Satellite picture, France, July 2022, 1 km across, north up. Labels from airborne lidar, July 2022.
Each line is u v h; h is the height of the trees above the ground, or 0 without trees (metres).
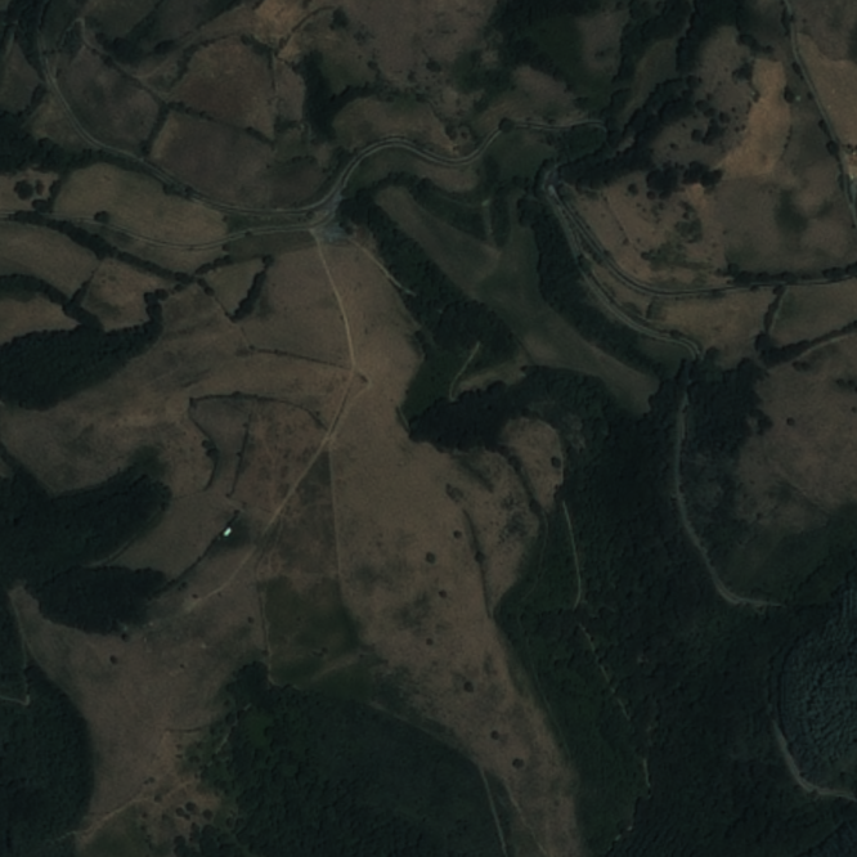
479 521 0
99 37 8
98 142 0
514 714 0
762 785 17
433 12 0
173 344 0
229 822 9
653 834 19
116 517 15
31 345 21
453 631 0
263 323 0
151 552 0
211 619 0
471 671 0
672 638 13
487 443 12
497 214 13
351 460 0
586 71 0
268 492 0
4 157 8
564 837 0
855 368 0
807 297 0
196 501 0
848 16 0
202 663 0
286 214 0
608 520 17
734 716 9
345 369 0
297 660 0
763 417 6
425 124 0
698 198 0
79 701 0
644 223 0
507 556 0
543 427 0
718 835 19
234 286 0
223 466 0
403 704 0
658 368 13
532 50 20
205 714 0
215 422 0
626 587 14
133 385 0
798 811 9
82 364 10
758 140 0
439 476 0
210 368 0
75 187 0
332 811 19
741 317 0
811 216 0
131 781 0
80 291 12
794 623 25
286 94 0
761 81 0
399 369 0
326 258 0
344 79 0
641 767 7
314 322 0
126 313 0
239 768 13
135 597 13
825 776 15
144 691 0
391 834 10
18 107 0
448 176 0
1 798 10
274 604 0
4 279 16
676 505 9
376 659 0
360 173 0
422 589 0
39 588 10
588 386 11
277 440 0
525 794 0
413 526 0
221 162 0
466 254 0
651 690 22
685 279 0
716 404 9
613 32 0
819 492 0
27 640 0
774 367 8
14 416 0
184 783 0
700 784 17
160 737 0
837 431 0
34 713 8
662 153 0
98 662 0
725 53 0
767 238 0
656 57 0
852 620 12
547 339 0
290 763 12
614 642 14
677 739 21
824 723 17
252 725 0
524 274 0
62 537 13
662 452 11
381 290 0
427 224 0
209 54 0
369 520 0
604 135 11
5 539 17
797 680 13
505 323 15
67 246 0
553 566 8
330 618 0
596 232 0
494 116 0
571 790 0
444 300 11
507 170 0
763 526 0
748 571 0
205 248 0
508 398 21
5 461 9
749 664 11
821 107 0
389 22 0
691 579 14
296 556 0
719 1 14
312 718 6
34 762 6
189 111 8
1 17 13
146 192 0
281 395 0
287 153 0
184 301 0
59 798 7
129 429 0
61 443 0
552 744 0
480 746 0
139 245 0
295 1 0
